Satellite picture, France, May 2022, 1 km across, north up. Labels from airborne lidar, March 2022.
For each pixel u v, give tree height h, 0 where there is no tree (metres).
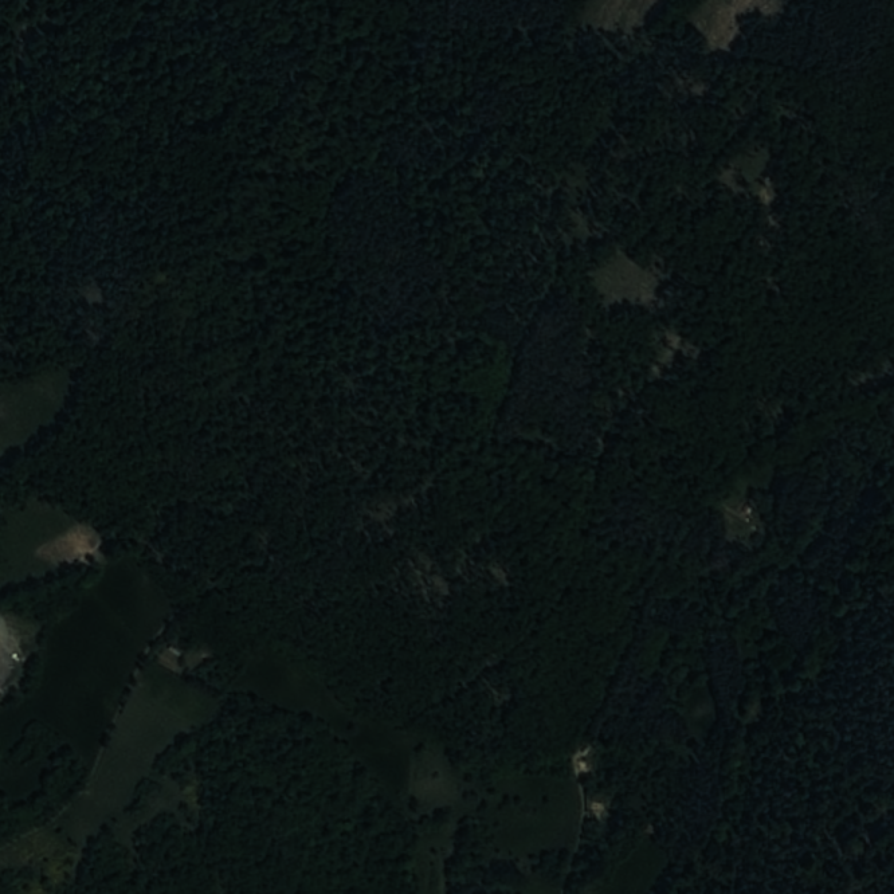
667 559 25
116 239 21
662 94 24
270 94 26
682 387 20
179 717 0
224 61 28
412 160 25
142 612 0
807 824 10
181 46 29
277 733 10
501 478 26
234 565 20
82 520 21
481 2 25
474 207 28
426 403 23
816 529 10
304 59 31
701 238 20
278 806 15
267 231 26
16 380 23
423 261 27
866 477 16
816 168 24
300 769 16
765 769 13
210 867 12
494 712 19
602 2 0
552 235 22
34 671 18
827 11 15
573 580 27
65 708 0
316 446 18
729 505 0
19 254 28
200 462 16
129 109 26
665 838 20
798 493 28
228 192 24
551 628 23
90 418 22
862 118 13
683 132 16
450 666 18
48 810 13
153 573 18
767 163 0
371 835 7
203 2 28
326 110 22
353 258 24
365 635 22
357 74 28
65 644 0
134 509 23
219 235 21
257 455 17
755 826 9
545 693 20
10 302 24
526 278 25
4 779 0
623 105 26
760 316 25
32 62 23
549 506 25
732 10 0
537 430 13
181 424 18
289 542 20
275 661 0
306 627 21
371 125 26
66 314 24
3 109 9
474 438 23
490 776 19
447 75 31
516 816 0
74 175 22
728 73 25
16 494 23
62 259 26
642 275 0
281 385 19
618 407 16
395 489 19
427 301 27
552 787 0
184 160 11
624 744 15
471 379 17
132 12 25
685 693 17
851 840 31
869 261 22
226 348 15
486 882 24
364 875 13
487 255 20
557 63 23
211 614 12
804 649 33
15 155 27
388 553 20
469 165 25
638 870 0
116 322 17
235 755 15
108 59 19
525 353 30
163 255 10
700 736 0
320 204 21
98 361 17
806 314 26
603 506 31
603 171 19
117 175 10
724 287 21
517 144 25
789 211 22
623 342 26
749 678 15
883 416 26
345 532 20
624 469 25
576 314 30
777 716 12
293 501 20
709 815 25
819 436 26
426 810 0
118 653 0
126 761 0
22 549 0
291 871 16
